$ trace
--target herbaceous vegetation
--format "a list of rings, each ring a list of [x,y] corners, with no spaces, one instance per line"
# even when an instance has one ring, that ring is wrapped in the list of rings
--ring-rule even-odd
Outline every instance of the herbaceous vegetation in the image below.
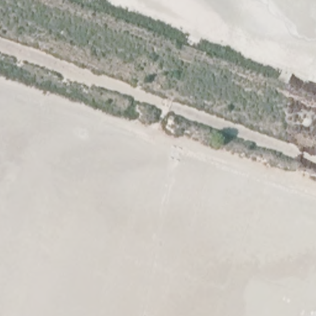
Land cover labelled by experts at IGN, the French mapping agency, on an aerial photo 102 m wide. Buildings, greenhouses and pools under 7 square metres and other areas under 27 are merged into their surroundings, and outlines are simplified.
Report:
[[[297,141],[304,144],[300,149],[301,152],[316,156],[316,138],[305,137],[299,133],[296,136]]]
[[[309,126],[316,120],[316,114],[305,110],[290,112],[288,107],[284,109],[288,125]]]
[[[48,7],[68,10],[72,14],[72,22],[78,15],[88,22],[98,23],[100,26],[107,23],[112,30],[130,31],[133,35],[146,39],[147,49],[153,48],[154,53],[151,59],[146,56],[137,58],[139,64],[147,65],[141,72],[135,69],[135,65],[123,63],[122,59],[114,54],[96,60],[91,56],[89,48],[79,48],[70,43],[56,41],[56,37],[49,35],[42,26],[38,26],[36,32],[31,35],[17,35],[4,22],[0,22],[0,37],[22,46],[36,48],[49,56],[88,69],[95,75],[105,75],[123,81],[133,88],[139,86],[146,93],[174,101],[180,99],[194,102],[194,98],[190,95],[181,95],[174,89],[160,88],[167,83],[165,77],[183,79],[184,75],[188,74],[186,63],[193,63],[194,58],[199,58],[242,77],[242,81],[231,81],[246,91],[263,95],[264,84],[301,104],[316,107],[316,95],[307,93],[304,89],[295,89],[291,86],[290,80],[284,81],[279,77],[263,77],[262,74],[237,67],[235,63],[227,60],[209,57],[205,52],[197,51],[197,43],[188,41],[179,49],[177,43],[163,36],[153,35],[153,32],[147,31],[146,28],[117,21],[105,12],[98,12],[93,16],[93,11],[81,9],[80,6],[65,0],[38,0]]]
[[[173,111],[169,111],[167,115],[162,112],[158,122],[165,135],[175,137],[175,131],[179,128],[178,123],[183,122],[185,118]]]
[[[205,100],[204,109],[201,110],[270,137],[272,133],[285,136],[280,121],[251,120],[246,111],[233,111],[235,105],[231,105],[230,100],[220,100],[217,94],[212,101]]]
[[[296,172],[302,168],[300,163],[281,162],[272,154],[259,157],[252,149],[232,142],[237,136],[235,128],[222,130],[222,135],[210,135],[209,131],[190,127],[183,136],[212,149],[225,148],[232,154],[238,154],[239,158],[246,157],[253,162],[257,160],[264,167],[270,165],[285,172]]]
[[[93,95],[96,101],[111,99],[122,110],[126,110],[128,106],[128,101],[122,99],[123,94],[117,90],[86,85],[78,81],[64,83],[63,75],[56,70],[27,60],[23,60],[21,67],[35,75],[39,83],[51,80],[58,86],[64,85],[67,93],[75,86],[84,94]]]

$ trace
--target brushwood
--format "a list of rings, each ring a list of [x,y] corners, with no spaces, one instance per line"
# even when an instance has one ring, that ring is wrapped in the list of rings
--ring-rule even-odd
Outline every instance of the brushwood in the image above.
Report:
[[[122,59],[123,63],[135,65],[135,69],[141,72],[147,65],[139,64],[137,58],[146,56],[151,59],[154,53],[153,48],[147,49],[146,39],[133,35],[130,31],[112,30],[107,23],[100,26],[98,23],[88,22],[78,15],[72,22],[72,14],[68,10],[48,7],[38,0],[0,0],[0,22],[4,22],[17,35],[31,35],[36,32],[38,26],[42,26],[49,35],[56,37],[56,41],[70,43],[79,48],[89,48],[91,56],[96,60],[114,54]]]
[[[70,101],[83,102],[111,116],[137,120],[142,125],[158,122],[162,112],[156,105],[137,101],[131,95],[123,94],[122,99],[128,101],[128,106],[126,110],[122,110],[111,99],[96,101],[93,95],[84,94],[75,86],[67,93],[64,85],[58,86],[51,80],[39,83],[35,75],[21,67],[0,60],[0,75],[63,96]]]
[[[263,95],[246,91],[231,81],[242,81],[242,77],[199,58],[194,58],[193,63],[186,63],[188,74],[184,75],[183,79],[165,77],[167,83],[160,88],[174,89],[181,95],[190,95],[194,98],[194,102],[180,99],[174,101],[201,110],[204,109],[205,100],[212,101],[217,94],[220,100],[230,100],[231,105],[235,105],[233,111],[246,111],[251,120],[280,121],[285,136],[272,133],[270,137],[293,143],[300,149],[304,144],[297,141],[296,136],[299,133],[305,137],[316,138],[316,120],[309,126],[288,125],[284,109],[288,107],[290,112],[305,110],[316,114],[316,107],[301,104],[264,84]]]
[[[281,162],[300,163],[302,168],[316,172],[316,163],[300,156],[286,156],[283,152],[257,146],[252,141],[237,136],[232,142],[252,149],[259,157],[272,154]]]
[[[291,75],[290,80],[291,86],[295,89],[304,89],[307,93],[316,95],[316,83],[301,80],[296,75]]]
[[[222,135],[222,130],[185,118],[183,122],[178,123],[179,128],[175,131],[175,137],[183,136],[190,127],[209,131],[210,135]]]
[[[279,77],[279,69],[254,62],[230,46],[221,46],[207,39],[197,43],[197,51],[205,52],[209,57],[227,60],[235,63],[237,67],[262,74],[263,77]]]
[[[80,6],[81,9],[93,11],[93,16],[98,12],[105,12],[117,21],[146,28],[147,31],[153,32],[153,35],[163,36],[177,43],[179,49],[188,41],[188,33],[179,31],[178,28],[163,21],[112,5],[107,0],[65,0]]]

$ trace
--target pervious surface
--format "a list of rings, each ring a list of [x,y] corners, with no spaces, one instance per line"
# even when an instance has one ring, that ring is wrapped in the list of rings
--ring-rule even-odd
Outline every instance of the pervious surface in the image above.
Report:
[[[111,116],[83,102],[70,101],[63,96],[0,75],[0,316],[316,316],[316,172],[302,168],[296,172],[285,172],[270,165],[264,167],[257,160],[253,162],[246,157],[239,158],[238,154],[232,154],[225,148],[212,149],[183,136],[175,137],[165,135],[158,122],[142,125],[137,120]]]
[[[162,112],[167,115],[169,111],[173,111],[185,118],[222,130],[235,128],[237,136],[252,141],[257,146],[283,152],[286,156],[300,156],[316,163],[316,156],[301,152],[300,149],[293,143],[270,137],[201,110],[174,101],[146,93],[139,86],[133,88],[123,81],[105,75],[95,75],[88,69],[49,56],[36,48],[22,46],[0,37],[0,60],[21,67],[23,60],[27,60],[56,70],[63,75],[64,83],[78,81],[86,85],[117,90],[123,94],[131,95],[137,101],[156,105]]]
[[[316,0],[107,0],[112,5],[163,21],[178,28],[179,31],[188,33],[188,41],[197,43],[207,39],[221,46],[230,46],[254,62],[279,69],[279,77],[284,81],[290,80],[291,75],[296,75],[301,80],[316,83]]]

